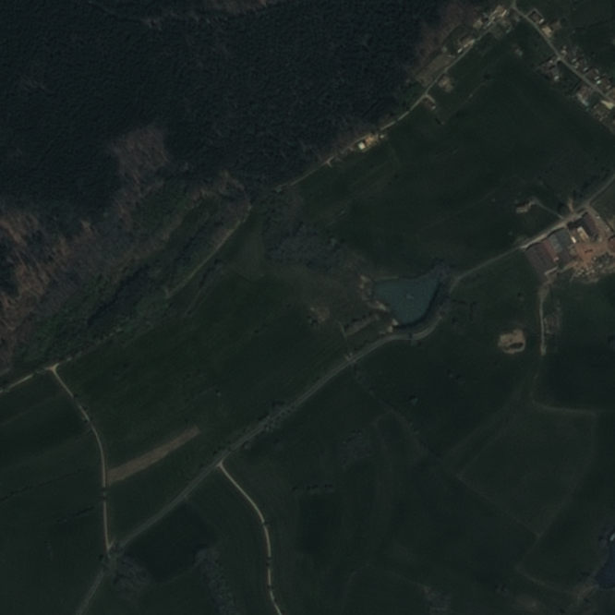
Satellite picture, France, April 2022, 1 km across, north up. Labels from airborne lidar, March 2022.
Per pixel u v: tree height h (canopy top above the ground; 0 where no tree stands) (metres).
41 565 0
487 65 0
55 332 14
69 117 23
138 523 0
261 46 21
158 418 0
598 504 0
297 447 0
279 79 15
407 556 0
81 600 0
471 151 0
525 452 0
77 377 0
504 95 0
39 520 0
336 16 27
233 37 19
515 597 0
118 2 16
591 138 0
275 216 19
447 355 0
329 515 0
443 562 0
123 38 23
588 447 0
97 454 0
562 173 0
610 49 0
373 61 26
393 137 0
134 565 25
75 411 0
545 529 0
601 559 0
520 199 0
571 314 0
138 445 0
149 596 0
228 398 0
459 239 0
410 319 0
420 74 0
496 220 0
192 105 22
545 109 0
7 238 27
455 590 0
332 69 18
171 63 21
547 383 0
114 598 0
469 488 0
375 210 0
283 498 0
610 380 0
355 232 0
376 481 0
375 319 12
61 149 22
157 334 0
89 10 26
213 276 21
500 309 0
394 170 0
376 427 0
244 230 0
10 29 24
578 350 0
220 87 20
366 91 24
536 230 0
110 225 30
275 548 0
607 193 0
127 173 26
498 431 0
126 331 14
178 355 0
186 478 0
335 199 0
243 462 0
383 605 0
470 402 0
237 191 21
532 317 0
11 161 20
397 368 0
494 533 0
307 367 0
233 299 0
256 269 0
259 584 0
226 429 0
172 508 0
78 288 28
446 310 19
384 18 25
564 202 0
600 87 0
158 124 21
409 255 0
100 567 0
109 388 0
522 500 0
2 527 0
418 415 0
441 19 21
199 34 26
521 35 0
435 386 0
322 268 7
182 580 0
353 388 0
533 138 0
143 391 0
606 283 0
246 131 19
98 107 22
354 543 0
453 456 0
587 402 0
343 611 0
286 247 17
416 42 22
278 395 0
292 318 0
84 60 23
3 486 0
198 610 0
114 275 15
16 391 0
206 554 20
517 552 0
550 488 0
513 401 0
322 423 0
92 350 8
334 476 0
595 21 0
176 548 0
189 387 0
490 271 0
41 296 0
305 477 0
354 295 0
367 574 0
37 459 0
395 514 0
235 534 0
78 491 0
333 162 0
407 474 0
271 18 20
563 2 0
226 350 0
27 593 0
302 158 30
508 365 0
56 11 24
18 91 21
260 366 0
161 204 14
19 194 21
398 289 0
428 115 0
